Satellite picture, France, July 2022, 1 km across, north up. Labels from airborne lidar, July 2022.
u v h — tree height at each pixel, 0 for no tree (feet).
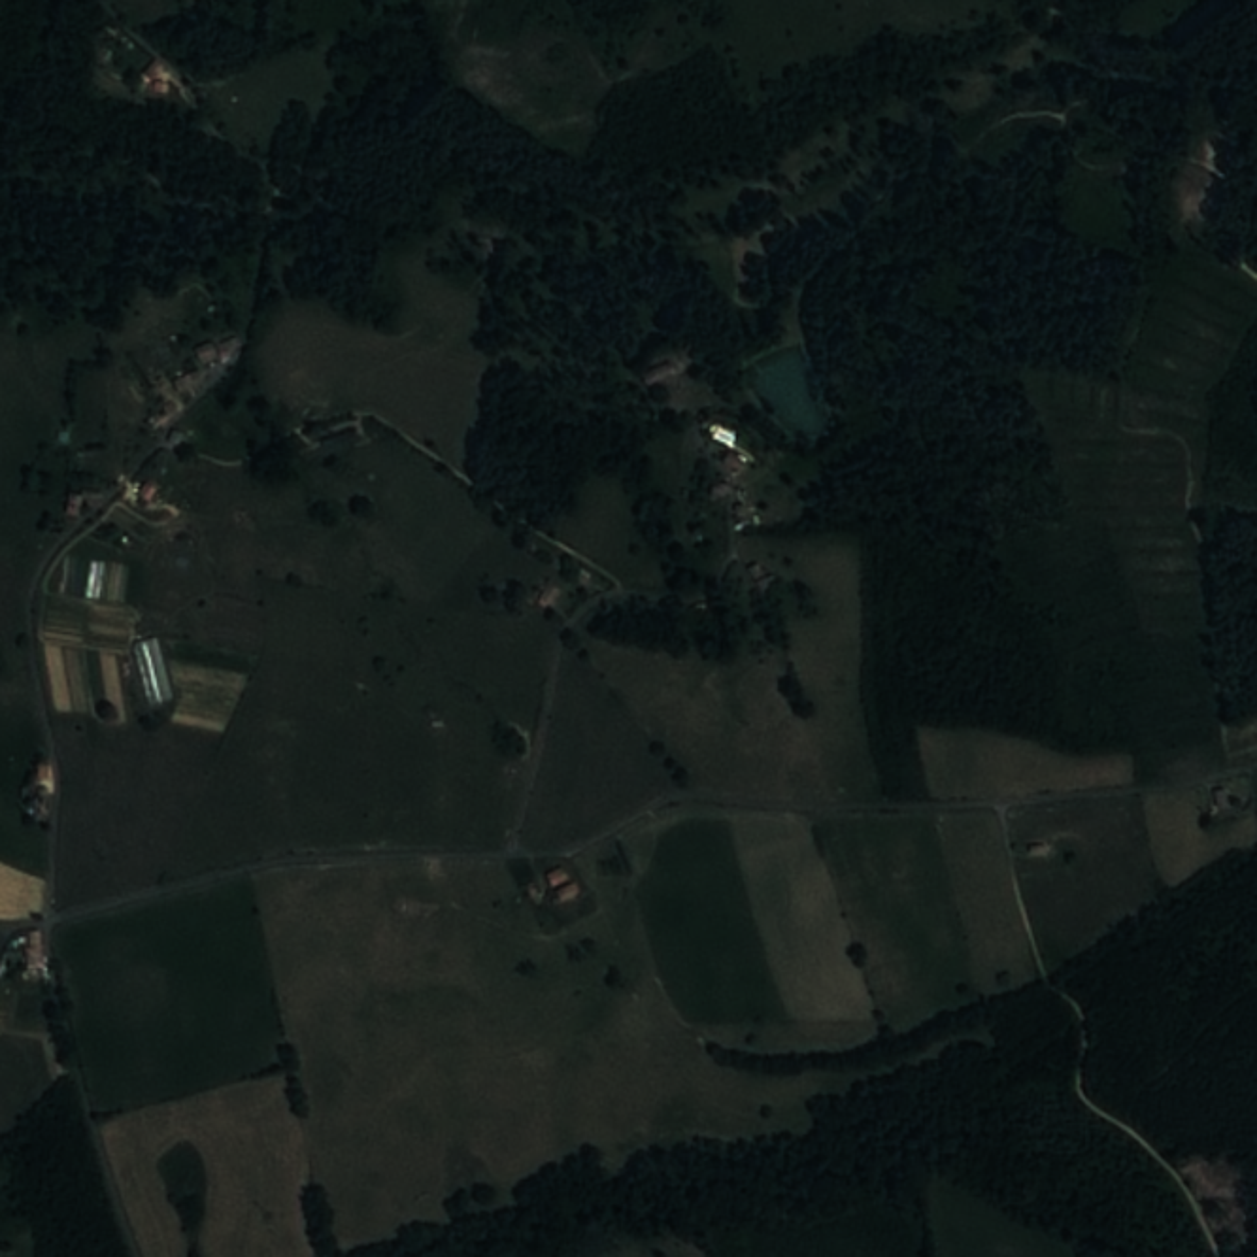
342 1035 0
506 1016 0
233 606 0
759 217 72
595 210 110
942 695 37
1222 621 54
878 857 0
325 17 0
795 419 0
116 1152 0
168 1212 0
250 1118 0
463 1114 0
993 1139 41
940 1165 80
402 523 0
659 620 75
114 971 0
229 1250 0
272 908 0
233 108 0
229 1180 0
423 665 0
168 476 0
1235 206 83
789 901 0
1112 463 0
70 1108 25
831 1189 111
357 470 0
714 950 0
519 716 0
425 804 0
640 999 0
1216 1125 21
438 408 0
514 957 0
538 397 92
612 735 0
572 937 0
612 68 29
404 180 99
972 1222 0
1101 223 0
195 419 0
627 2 53
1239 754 0
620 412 64
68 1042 53
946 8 0
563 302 83
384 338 0
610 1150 0
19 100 87
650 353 63
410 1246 70
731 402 36
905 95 69
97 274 72
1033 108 0
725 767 0
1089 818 0
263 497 0
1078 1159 26
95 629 0
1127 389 0
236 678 0
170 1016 0
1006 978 23
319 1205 66
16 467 0
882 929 0
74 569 0
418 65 68
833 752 0
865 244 44
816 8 0
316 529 0
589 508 0
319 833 0
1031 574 0
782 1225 67
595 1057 0
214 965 0
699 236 110
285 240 31
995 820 0
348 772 0
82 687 0
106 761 0
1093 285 106
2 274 66
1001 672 43
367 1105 0
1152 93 88
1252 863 24
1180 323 0
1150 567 0
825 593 0
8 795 0
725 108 28
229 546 0
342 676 0
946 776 0
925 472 54
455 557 0
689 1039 0
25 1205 35
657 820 0
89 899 0
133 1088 0
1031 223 91
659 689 0
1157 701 0
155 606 0
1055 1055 25
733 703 0
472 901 0
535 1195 68
